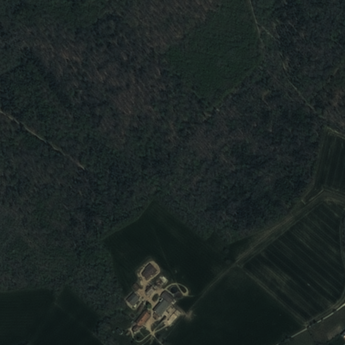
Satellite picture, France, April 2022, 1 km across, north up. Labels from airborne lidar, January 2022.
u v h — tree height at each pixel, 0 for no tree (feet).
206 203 94
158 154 82
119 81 106
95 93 92
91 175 79
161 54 91
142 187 92
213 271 0
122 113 96
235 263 0
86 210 75
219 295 0
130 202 93
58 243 76
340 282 0
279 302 0
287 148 89
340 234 0
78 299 0
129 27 99
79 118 60
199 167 37
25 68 73
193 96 62
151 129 93
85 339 0
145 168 52
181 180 82
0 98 69
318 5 78
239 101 82
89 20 41
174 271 0
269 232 0
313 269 0
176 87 95
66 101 69
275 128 30
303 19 85
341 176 0
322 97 97
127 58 109
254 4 71
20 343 0
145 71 91
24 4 74
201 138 94
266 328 0
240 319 0
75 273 70
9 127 87
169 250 0
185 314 0
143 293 0
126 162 23
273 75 82
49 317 0
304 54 83
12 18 83
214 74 0
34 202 102
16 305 0
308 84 87
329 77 100
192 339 0
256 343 0
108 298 69
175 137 96
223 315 0
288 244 0
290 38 87
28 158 97
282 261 0
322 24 69
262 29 79
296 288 0
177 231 0
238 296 0
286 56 81
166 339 0
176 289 0
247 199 28
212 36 80
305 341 0
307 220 0
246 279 0
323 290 0
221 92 54
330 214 0
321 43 82
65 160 65
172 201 79
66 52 104
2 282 76
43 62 80
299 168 57
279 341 0
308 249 0
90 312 0
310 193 0
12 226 27
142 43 92
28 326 0
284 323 0
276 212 60
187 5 97
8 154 91
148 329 0
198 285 0
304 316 0
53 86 64
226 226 51
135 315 0
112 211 91
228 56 0
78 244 71
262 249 0
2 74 71
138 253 0
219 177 34
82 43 98
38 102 57
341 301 0
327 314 0
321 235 0
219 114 77
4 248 0
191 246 0
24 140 40
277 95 22
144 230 0
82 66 75
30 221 99
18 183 98
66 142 92
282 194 41
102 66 98
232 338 0
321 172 0
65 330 0
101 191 54
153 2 96
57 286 40
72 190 69
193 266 0
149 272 0
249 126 78
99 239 76
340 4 83
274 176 86
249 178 47
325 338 0
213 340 0
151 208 0
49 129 73
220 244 0
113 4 74
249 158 31
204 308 0
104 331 68
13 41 79
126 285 0
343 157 0
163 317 0
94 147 96
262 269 0
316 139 83
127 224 77
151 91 102
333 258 0
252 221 55
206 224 85
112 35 111
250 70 54
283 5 76
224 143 80
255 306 0
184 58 0
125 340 0
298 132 86
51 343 0
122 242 0
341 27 79
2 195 86
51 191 104
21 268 78
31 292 0
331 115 87
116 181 95
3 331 0
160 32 94
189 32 80
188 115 83
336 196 0
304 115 39
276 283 0
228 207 47
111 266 52
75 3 89
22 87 75
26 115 85
